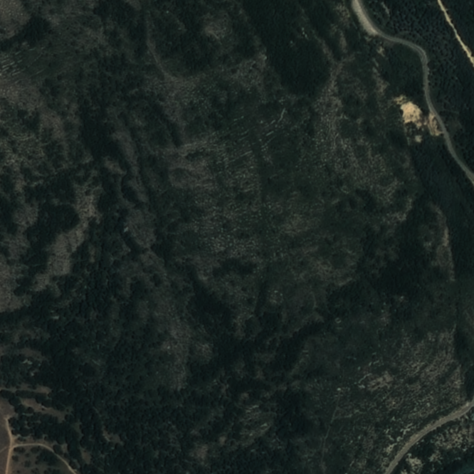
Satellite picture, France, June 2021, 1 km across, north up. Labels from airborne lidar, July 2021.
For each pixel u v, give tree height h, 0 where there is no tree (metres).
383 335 7
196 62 8
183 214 6
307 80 8
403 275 12
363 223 0
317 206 0
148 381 0
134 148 0
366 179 0
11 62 0
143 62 0
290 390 9
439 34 13
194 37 9
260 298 8
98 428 15
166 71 0
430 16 13
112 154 9
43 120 0
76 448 16
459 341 10
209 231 0
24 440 6
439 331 0
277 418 6
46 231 10
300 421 10
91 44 0
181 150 0
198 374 9
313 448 0
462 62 13
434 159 15
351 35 9
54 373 8
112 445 13
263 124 0
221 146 0
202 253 0
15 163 0
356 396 0
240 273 6
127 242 8
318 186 0
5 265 0
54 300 9
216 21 0
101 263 13
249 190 0
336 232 0
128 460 9
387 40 0
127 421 6
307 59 9
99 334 11
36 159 0
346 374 0
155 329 0
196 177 0
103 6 10
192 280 10
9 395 14
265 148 0
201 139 0
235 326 6
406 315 10
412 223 7
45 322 10
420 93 11
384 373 0
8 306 0
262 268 0
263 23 8
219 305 9
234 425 8
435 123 0
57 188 8
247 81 0
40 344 13
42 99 0
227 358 11
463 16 14
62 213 8
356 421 0
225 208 0
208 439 9
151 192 8
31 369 12
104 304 8
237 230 0
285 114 0
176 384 0
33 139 0
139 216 0
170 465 11
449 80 10
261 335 11
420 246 9
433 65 14
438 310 7
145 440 9
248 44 7
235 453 10
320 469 0
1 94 0
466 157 11
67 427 14
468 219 8
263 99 0
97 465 7
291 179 0
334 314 6
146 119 8
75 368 9
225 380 9
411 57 0
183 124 0
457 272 8
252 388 8
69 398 14
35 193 7
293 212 0
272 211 0
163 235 6
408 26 11
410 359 0
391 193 0
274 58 10
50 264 0
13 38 8
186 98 0
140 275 0
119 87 6
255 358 8
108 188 13
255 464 11
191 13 7
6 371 7
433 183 12
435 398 0
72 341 15
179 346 0
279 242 0
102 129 10
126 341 6
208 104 0
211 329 7
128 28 6
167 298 0
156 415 10
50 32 11
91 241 10
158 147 0
